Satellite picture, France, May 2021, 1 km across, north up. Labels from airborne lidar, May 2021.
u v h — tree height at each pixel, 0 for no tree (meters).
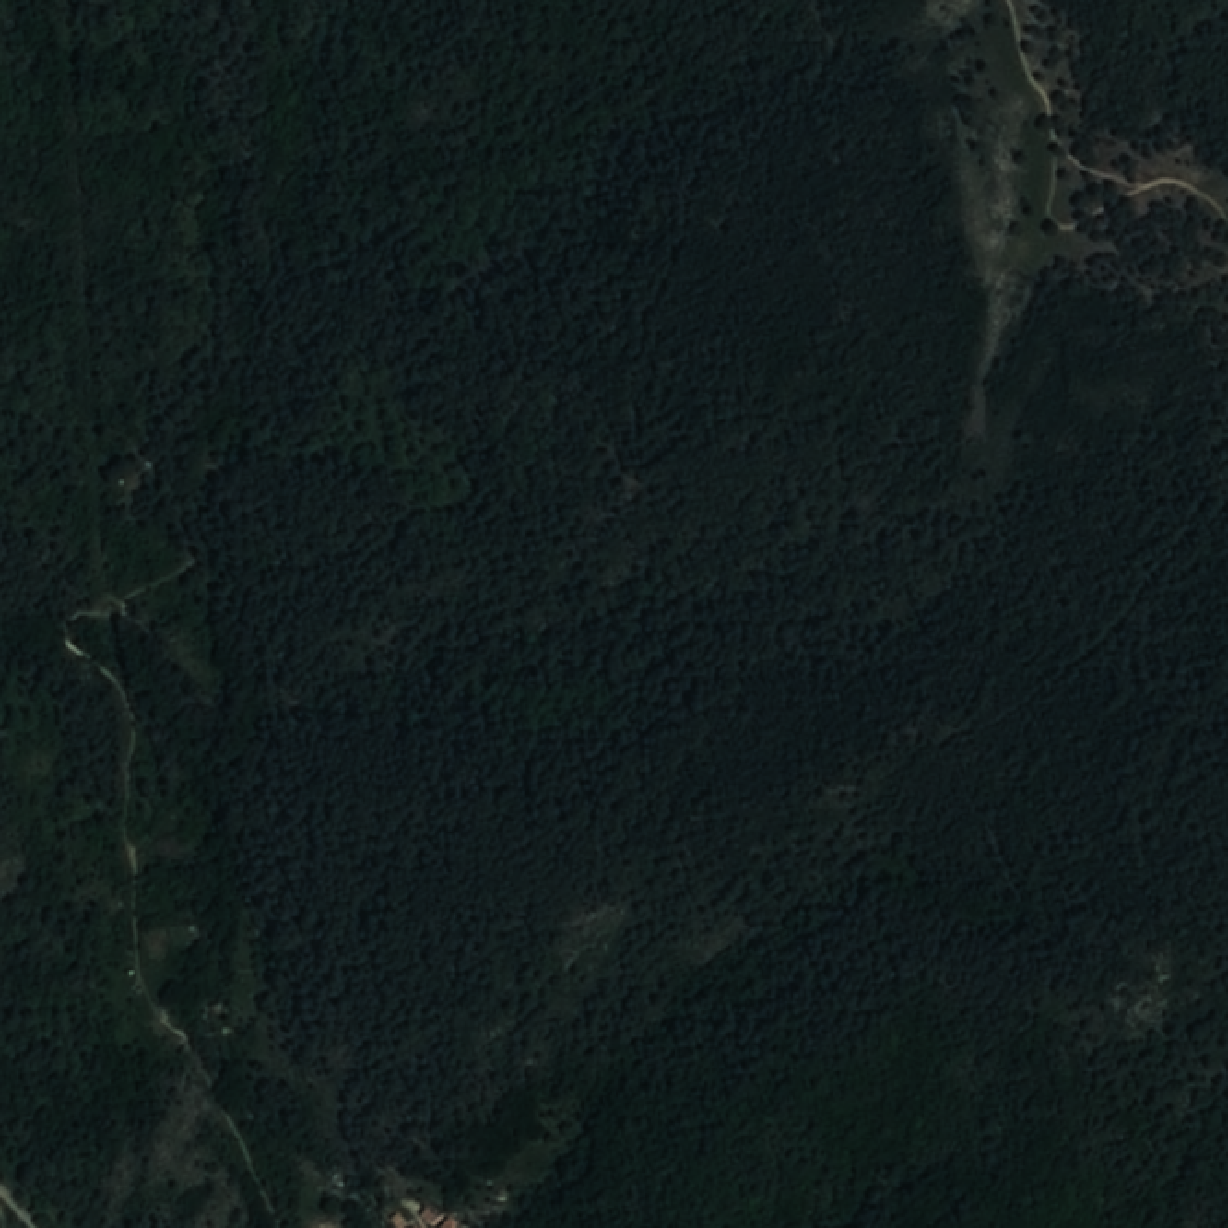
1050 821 6
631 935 19
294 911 19
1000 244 0
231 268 22
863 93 19
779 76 13
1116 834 17
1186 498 16
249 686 24
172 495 9
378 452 20
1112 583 15
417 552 24
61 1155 26
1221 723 15
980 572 18
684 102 21
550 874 25
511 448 14
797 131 15
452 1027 14
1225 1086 15
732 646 23
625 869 20
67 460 21
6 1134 10
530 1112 17
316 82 23
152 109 27
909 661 6
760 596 26
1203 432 16
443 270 18
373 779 24
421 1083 18
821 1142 14
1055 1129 13
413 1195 11
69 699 13
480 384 21
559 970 7
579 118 14
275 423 17
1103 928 6
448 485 12
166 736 20
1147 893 15
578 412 19
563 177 16
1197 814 15
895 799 13
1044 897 12
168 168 12
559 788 22
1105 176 0
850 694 12
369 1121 16
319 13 19
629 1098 17
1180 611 15
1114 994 6
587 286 19
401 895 24
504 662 21
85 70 19
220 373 25
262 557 12
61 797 20
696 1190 11
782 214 13
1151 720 14
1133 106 10
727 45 21
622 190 21
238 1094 14
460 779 21
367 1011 22
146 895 6
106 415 10
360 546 20
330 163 20
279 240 17
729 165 18
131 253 19
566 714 17
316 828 16
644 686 22
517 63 14
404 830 16
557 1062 10
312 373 24
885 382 6
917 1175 9
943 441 9
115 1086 20
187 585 19
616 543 18
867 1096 18
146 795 22
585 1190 13
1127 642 15
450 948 14
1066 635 17
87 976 19
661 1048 20
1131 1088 13
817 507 24
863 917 20
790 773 13
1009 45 0
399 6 11
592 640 24
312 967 12
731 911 14
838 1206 12
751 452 17
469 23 20
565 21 7
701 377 14
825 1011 20
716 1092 12
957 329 12
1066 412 10
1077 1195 13
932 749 16
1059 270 12
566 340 19
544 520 15
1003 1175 14
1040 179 0
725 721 17
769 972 21
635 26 20
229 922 13
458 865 23
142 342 10
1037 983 19
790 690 13
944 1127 8
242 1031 6
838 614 27
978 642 18
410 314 22
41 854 6
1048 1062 13
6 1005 10
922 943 22
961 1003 14
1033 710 14
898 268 14
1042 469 13
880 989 16
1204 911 16
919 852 8
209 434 13
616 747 20
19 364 18
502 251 25
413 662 21
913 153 13
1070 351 11
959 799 13
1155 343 9
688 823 13
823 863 20
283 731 20
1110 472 20
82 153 9
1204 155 10
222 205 17
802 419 13
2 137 18
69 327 19
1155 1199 17
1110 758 11
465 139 14
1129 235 14
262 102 20
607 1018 24
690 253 17
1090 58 9
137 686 20
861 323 19
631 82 19
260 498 22
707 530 17
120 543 8
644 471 15
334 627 14
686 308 13
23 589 20
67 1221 14
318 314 22
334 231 19
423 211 21
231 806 30
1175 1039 21
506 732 17
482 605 16
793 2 18
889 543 21
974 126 10
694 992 14
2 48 19
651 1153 8
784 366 9
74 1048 16
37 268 9
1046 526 17
